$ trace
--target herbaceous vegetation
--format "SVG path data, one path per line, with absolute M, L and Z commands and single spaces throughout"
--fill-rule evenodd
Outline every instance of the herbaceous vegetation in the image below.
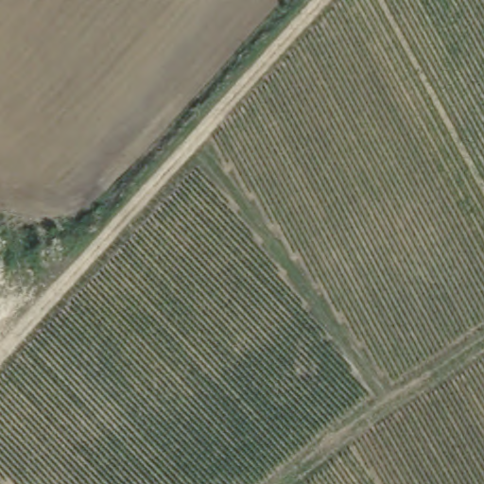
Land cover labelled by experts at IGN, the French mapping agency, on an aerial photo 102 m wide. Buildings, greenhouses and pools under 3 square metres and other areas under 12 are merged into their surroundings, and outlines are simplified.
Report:
M 265 23 L 234 51 L 233 59 L 219 70 L 219 74 L 206 85 L 204 91 L 206 95 L 212 96 L 216 104 L 251 64 L 263 55 L 263 51 L 278 38 L 278 34 L 285 26 L 301 13 L 301 9 L 310 0 L 278 0 L 276 8 L 270 11 Z
M 34 287 L 34 295 L 40 299 L 49 289 L 49 285 L 55 284 L 74 261 L 62 255 L 62 242 L 55 238 L 49 248 L 40 250 L 40 263 L 45 272 L 42 276 L 36 276 L 32 268 L 8 268 L 4 265 L 2 276 L 8 282 Z

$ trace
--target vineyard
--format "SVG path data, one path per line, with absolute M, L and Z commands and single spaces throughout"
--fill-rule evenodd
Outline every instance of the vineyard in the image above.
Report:
M 0 365 L 0 484 L 484 484 L 484 0 L 331 0 L 316 15 L 316 19 L 295 38 L 295 42 L 272 62 L 263 78 L 257 79 L 250 91 L 234 104 L 233 110 L 225 115 L 225 119 L 208 136 L 208 140 L 181 164 L 180 170 L 155 193 L 155 197 L 147 202 L 146 208 L 130 221 L 100 257 L 96 257 L 95 263 L 81 274 L 78 282 L 62 295 L 62 299 L 43 316 L 43 320 L 32 329 L 32 333 Z

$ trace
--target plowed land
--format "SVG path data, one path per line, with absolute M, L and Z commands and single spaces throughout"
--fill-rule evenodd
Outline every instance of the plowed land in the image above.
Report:
M 278 0 L 0 0 L 0 214 L 17 216 L 25 225 L 43 219 L 76 216 L 79 210 L 89 208 L 95 200 L 100 199 L 104 191 L 112 187 L 113 181 L 125 170 L 129 170 L 142 155 L 146 155 L 174 123 L 174 119 L 183 112 L 183 108 L 204 91 L 206 85 L 219 74 L 219 70 L 233 59 L 234 51 L 265 23 L 270 11 L 276 8 Z

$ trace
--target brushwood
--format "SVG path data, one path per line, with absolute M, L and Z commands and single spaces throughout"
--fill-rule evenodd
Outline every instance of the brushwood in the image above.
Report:
M 0 255 L 4 265 L 8 268 L 32 268 L 36 276 L 42 276 L 45 272 L 40 263 L 40 250 L 49 248 L 55 238 L 62 242 L 62 255 L 74 261 L 87 250 L 87 246 L 98 234 L 104 231 L 110 219 L 134 197 L 134 193 L 138 193 L 140 187 L 157 172 L 157 168 L 183 144 L 183 140 L 199 127 L 200 121 L 216 104 L 212 96 L 206 95 L 204 91 L 183 108 L 183 112 L 174 119 L 174 123 L 146 155 L 142 155 L 129 170 L 125 170 L 113 181 L 112 187 L 104 191 L 100 199 L 95 200 L 89 208 L 79 210 L 76 216 L 43 219 L 25 225 L 17 216 L 0 214 Z

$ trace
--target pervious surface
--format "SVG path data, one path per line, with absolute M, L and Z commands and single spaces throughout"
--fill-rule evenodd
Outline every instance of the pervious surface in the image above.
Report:
M 263 51 L 263 55 L 251 64 L 216 104 L 200 121 L 199 127 L 183 140 L 183 144 L 157 168 L 157 172 L 140 187 L 138 193 L 134 193 L 134 197 L 110 219 L 104 231 L 98 234 L 87 246 L 87 250 L 74 261 L 55 284 L 49 285 L 49 289 L 40 299 L 34 295 L 34 287 L 8 282 L 2 276 L 4 265 L 0 255 L 0 365 L 32 333 L 32 329 L 43 320 L 43 316 L 62 299 L 62 295 L 78 282 L 81 274 L 95 263 L 96 257 L 100 257 L 130 221 L 146 208 L 147 202 L 155 197 L 155 193 L 180 170 L 181 164 L 208 140 L 208 136 L 225 119 L 225 115 L 233 110 L 234 104 L 250 91 L 257 79 L 263 78 L 272 62 L 295 42 L 295 38 L 316 19 L 316 15 L 331 0 L 310 0 L 301 9 L 301 13 L 285 26 L 278 34 L 278 38 Z

